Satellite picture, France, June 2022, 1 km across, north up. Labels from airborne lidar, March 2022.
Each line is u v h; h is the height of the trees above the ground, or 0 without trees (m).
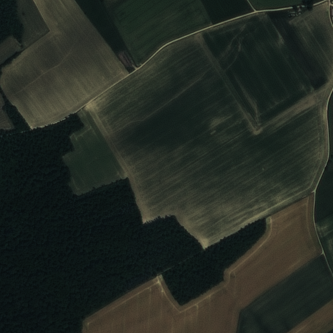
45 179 23
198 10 0
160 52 0
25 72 0
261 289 0
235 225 0
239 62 0
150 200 0
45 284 22
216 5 0
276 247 0
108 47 0
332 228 0
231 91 0
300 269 0
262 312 0
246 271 0
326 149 0
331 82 0
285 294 0
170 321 0
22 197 15
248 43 0
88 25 0
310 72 0
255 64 0
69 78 0
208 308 0
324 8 0
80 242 23
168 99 0
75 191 0
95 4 0
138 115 0
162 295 0
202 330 0
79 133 0
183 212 0
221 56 0
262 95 0
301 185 0
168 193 0
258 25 0
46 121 0
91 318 0
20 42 7
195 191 0
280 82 0
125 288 9
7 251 23
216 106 0
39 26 0
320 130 0
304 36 0
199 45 0
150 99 0
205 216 0
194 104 0
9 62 11
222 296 0
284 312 0
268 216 0
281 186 0
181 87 0
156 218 0
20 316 27
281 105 0
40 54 0
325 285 0
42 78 0
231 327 0
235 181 0
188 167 0
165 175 0
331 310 0
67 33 0
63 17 0
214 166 0
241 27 0
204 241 0
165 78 0
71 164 0
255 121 0
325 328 0
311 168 0
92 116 0
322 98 0
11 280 24
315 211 0
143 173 0
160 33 0
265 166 0
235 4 0
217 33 0
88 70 0
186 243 0
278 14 0
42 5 0
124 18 0
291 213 0
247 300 0
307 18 0
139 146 0
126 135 0
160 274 0
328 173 0
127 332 0
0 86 9
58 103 0
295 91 0
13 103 0
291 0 0
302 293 0
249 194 0
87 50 0
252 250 0
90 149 0
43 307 23
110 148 0
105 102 0
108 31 0
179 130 0
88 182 0
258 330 0
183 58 0
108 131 0
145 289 0
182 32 0
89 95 0
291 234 0
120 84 0
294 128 0
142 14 0
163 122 0
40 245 28
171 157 0
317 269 0
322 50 0
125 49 0
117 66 0
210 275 0
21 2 0
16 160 11
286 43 0
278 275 0
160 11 0
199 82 0
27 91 0
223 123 0
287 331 0
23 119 10
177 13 0
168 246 0
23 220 17
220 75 0
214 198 0
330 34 0
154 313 0
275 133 0
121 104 0
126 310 0
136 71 0
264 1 0
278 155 0
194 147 0
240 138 0
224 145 0
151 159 0
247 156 0
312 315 0
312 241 0
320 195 0
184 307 0
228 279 0
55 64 0
